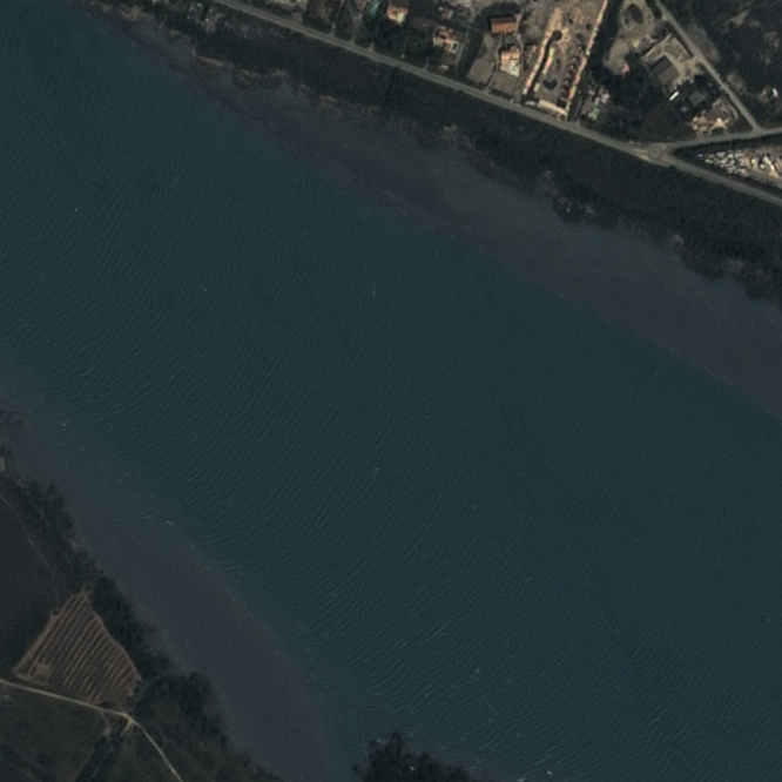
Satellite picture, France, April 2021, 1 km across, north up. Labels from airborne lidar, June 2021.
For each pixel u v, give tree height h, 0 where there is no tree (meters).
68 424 0
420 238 0
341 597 0
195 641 0
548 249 0
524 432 0
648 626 0
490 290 0
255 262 0
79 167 0
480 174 0
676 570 0
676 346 0
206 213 0
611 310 0
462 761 0
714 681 0
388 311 0
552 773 0
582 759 0
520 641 0
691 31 0
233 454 0
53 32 0
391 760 8
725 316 0
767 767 0
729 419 0
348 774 0
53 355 0
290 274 0
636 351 0
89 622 0
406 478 0
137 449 0
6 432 0
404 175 0
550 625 0
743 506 0
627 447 0
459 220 0
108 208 0
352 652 0
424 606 0
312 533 0
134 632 8
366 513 0
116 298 0
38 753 0
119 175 0
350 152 0
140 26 0
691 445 0
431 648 0
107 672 0
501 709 0
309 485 0
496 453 0
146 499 0
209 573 0
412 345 0
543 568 0
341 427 0
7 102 0
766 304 0
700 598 0
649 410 0
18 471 0
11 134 0
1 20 0
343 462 0
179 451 0
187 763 0
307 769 0
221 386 0
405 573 0
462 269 0
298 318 0
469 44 0
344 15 6
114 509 0
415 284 0
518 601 0
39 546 0
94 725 0
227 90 0
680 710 0
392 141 0
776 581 0
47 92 0
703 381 0
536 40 0
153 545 0
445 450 0
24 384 0
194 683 8
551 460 0
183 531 0
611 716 0
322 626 0
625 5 0
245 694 0
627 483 0
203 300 0
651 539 0
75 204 0
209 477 0
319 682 0
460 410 0
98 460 0
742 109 0
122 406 0
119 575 0
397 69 6
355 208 0
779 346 0
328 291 0
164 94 0
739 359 0
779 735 0
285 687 0
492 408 0
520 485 0
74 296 0
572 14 0
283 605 0
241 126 0
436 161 0
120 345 0
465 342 0
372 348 0
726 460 0
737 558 0
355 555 0
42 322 0
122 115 0
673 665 0
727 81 0
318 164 0
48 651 0
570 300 0
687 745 0
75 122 0
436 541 0
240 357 0
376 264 0
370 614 0
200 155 0
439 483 0
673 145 0
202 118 0
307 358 0
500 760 0
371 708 0
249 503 0
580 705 0
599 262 0
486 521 0
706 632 0
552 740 0
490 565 0
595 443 0
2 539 0
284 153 0
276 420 0
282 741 0
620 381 0
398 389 0
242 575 0
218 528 0
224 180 0
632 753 0
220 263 0
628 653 0
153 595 0
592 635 0
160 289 0
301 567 0
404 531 0
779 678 0
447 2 0
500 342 0
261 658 0
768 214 6
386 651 0
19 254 0
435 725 0
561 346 0
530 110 0
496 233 0
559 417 0
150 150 0
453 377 0
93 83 0
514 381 0
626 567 0
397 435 0
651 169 6
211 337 0
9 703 0
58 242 0
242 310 0
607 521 0
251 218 0
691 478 0
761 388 0
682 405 0
